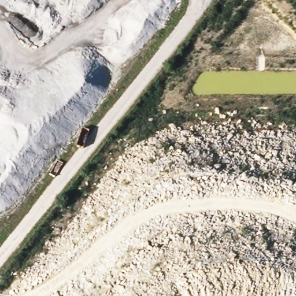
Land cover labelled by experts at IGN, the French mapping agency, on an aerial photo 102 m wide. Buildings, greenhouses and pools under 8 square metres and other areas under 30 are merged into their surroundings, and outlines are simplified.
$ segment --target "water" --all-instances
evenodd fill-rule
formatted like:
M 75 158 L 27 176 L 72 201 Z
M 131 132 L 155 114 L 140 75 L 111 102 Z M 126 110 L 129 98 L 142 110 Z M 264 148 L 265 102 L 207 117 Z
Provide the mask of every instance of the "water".
M 261 95 L 296 92 L 296 74 L 264 71 L 203 72 L 193 87 L 197 95 Z

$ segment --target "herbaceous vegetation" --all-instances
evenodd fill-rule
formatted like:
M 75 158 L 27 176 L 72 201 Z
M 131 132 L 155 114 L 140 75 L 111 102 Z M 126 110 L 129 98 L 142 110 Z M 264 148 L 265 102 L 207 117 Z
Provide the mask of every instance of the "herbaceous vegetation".
M 176 28 L 185 15 L 190 0 L 182 0 L 179 8 L 173 8 L 165 27 L 156 31 L 140 52 L 132 57 L 134 64 L 131 71 L 121 77 L 101 108 L 92 114 L 87 125 L 95 126 L 98 126 L 106 112 L 131 86 L 136 76 Z
M 46 240 L 55 238 L 52 222 L 61 219 L 66 213 L 76 214 L 75 202 L 87 200 L 90 193 L 97 190 L 94 186 L 95 175 L 105 175 L 105 153 L 116 154 L 114 149 L 110 148 L 111 145 L 124 136 L 140 142 L 168 128 L 169 124 L 179 127 L 188 121 L 192 123 L 195 117 L 183 110 L 168 109 L 166 113 L 162 113 L 157 110 L 157 105 L 164 98 L 168 77 L 178 76 L 179 82 L 186 80 L 190 65 L 186 58 L 190 53 L 185 49 L 182 54 L 175 52 L 163 62 L 161 71 L 136 98 L 125 116 L 99 143 L 87 162 L 69 180 L 64 190 L 55 197 L 51 207 L 0 267 L 0 291 L 2 293 L 13 283 L 14 272 L 24 272 L 34 265 L 34 258 L 36 254 L 42 253 Z
M 0 246 L 30 212 L 53 179 L 45 176 L 43 183 L 38 184 L 35 191 L 21 202 L 14 214 L 9 214 L 7 219 L 3 216 L 0 219 Z
M 236 111 L 231 120 L 242 121 L 243 127 L 250 135 L 254 134 L 252 125 L 247 121 L 251 118 L 260 125 L 271 121 L 272 125 L 268 127 L 268 131 L 273 131 L 274 135 L 277 135 L 280 124 L 296 125 L 296 92 L 261 95 L 260 103 L 266 105 L 268 110 L 259 110 L 250 105 L 250 111 L 246 112 L 242 103 L 234 99 L 220 102 L 217 108 L 221 113 Z

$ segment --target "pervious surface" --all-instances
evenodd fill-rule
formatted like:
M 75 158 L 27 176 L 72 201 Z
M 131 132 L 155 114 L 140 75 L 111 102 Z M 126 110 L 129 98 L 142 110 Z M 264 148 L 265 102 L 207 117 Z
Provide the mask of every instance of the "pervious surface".
M 179 8 L 182 0 L 0 0 L 0 219 L 3 216 L 7 219 L 9 214 L 14 214 L 21 202 L 35 191 L 38 184 L 43 183 L 45 176 L 53 179 L 30 212 L 0 246 L 0 267 L 51 207 L 55 197 L 64 190 L 69 180 L 87 162 L 99 143 L 125 116 L 136 98 L 161 71 L 163 62 L 175 52 L 213 0 L 190 0 L 185 15 L 176 28 L 136 76 L 131 86 L 106 112 L 98 126 L 95 126 L 87 125 L 92 114 L 101 108 L 121 77 L 131 71 L 134 64 L 132 57 L 140 52 L 156 31 L 165 27 L 173 8 Z
M 66 213 L 61 219 L 52 222 L 55 238 L 46 240 L 42 253 L 36 254 L 34 258 L 34 265 L 24 272 L 14 272 L 13 283 L 2 293 L 0 291 L 0 296 L 296 296 L 296 125 L 280 124 L 277 135 L 274 135 L 273 131 L 268 131 L 268 127 L 272 125 L 271 121 L 260 125 L 251 118 L 247 121 L 252 125 L 254 134 L 250 135 L 243 127 L 242 121 L 231 120 L 236 111 L 221 113 L 217 108 L 220 102 L 234 99 L 242 103 L 246 112 L 250 111 L 250 105 L 259 110 L 268 110 L 266 105 L 260 103 L 261 95 L 197 95 L 193 87 L 203 72 L 264 71 L 296 74 L 296 0 L 257 0 L 247 14 L 246 20 L 239 25 L 234 34 L 224 40 L 220 37 L 223 30 L 205 29 L 190 53 L 186 58 L 190 65 L 186 80 L 179 82 L 178 76 L 168 77 L 164 98 L 157 105 L 157 110 L 162 113 L 166 113 L 168 109 L 183 110 L 195 117 L 192 123 L 188 121 L 179 127 L 169 124 L 168 128 L 140 142 L 124 136 L 111 145 L 110 148 L 114 149 L 116 154 L 105 153 L 105 175 L 95 175 L 94 186 L 97 190 L 90 193 L 87 200 L 75 202 L 76 214 Z

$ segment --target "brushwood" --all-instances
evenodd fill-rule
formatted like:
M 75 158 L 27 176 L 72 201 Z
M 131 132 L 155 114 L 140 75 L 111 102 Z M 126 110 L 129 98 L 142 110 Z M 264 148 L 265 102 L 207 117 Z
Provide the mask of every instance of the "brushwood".
M 223 30 L 220 37 L 224 40 L 234 34 L 239 25 L 246 20 L 247 14 L 257 0 L 213 0 L 175 52 L 182 54 L 185 49 L 190 53 L 205 29 Z

